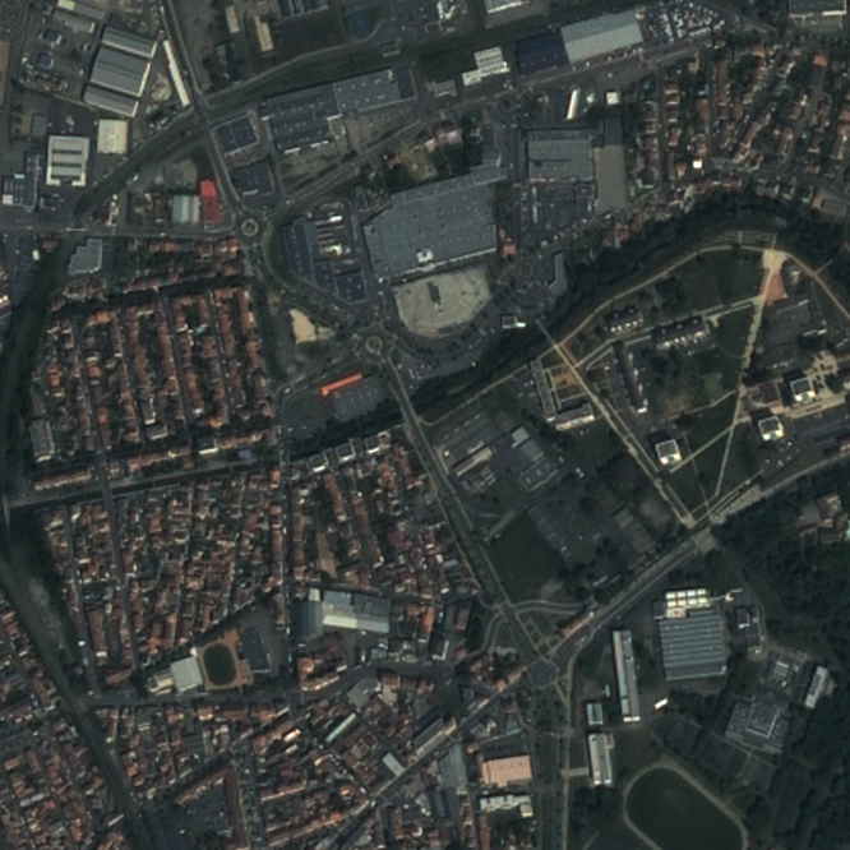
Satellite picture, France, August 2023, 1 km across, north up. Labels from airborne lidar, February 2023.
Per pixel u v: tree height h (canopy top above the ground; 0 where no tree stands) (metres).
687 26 0
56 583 6
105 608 0
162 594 0
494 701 0
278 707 0
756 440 0
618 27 0
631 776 10
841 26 0
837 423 0
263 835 0
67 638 0
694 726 0
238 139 0
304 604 0
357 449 0
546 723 7
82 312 14
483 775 0
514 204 0
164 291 12
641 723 0
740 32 0
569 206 0
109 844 0
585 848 0
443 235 0
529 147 0
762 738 0
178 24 0
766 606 0
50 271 0
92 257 0
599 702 0
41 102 0
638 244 7
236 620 9
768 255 0
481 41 0
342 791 0
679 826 0
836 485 14
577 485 12
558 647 0
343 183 0
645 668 0
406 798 0
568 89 0
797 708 13
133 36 0
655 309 6
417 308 0
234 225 0
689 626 0
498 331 0
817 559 22
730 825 0
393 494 0
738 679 9
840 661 0
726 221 27
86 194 0
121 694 0
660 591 0
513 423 0
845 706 17
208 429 13
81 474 0
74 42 0
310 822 0
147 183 0
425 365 0
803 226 11
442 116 0
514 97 0
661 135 0
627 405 0
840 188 0
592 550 0
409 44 0
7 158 0
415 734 0
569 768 0
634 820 0
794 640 0
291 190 0
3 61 0
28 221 0
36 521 12
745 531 20
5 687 0
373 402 0
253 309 9
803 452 0
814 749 14
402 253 0
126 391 0
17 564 0
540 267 0
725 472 0
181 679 0
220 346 0
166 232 0
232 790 0
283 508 0
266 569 0
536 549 0
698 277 0
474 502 0
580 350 0
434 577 0
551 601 0
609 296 0
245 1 0
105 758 0
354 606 0
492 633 0
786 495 11
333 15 0
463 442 0
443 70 0
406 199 0
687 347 0
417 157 0
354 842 0
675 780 0
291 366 0
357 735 0
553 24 0
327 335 0
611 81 0
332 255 0
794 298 0
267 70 0
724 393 0
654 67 0
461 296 0
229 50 0
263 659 0
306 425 0
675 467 0
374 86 0
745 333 0
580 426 0
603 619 0
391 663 0
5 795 0
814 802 12
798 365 0
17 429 12
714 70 0
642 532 0
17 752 0
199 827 0
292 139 0
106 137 0
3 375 8
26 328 0
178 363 0
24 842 0
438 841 0
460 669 9
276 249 0
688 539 14
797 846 13
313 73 0
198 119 0
